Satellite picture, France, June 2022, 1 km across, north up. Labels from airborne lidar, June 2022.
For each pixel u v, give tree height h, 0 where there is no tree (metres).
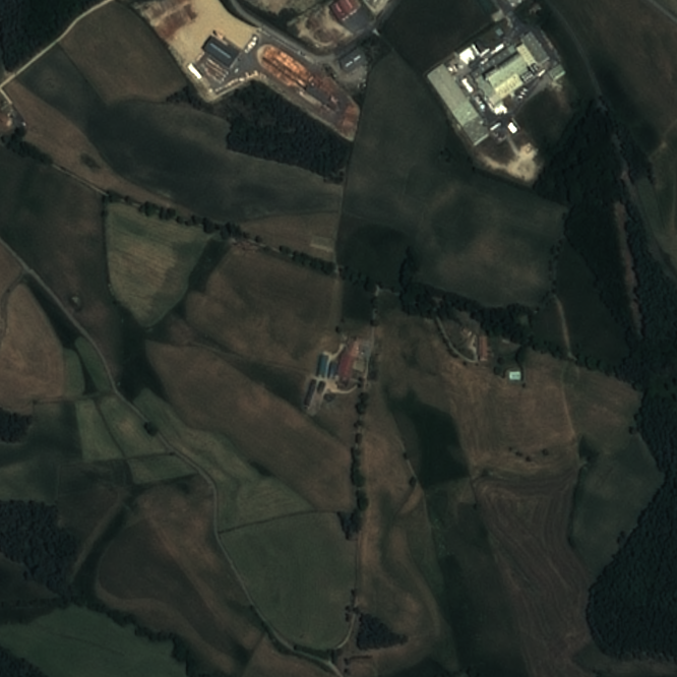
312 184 0
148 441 0
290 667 0
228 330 0
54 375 0
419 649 0
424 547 0
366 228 0
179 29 0
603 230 17
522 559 0
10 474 0
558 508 0
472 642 0
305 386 0
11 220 0
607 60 0
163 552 0
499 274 0
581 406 0
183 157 0
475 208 0
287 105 11
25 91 0
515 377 0
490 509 0
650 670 0
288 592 0
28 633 0
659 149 0
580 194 13
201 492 0
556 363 0
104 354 0
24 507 18
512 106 0
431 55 0
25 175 0
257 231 0
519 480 0
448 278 0
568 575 0
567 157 18
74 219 0
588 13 0
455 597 0
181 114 0
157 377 0
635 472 0
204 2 0
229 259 0
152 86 0
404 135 0
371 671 0
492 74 0
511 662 0
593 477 0
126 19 0
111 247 0
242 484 0
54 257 0
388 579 0
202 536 0
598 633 18
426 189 0
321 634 0
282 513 0
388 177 0
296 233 0
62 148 0
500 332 20
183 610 0
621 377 15
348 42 0
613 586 15
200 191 0
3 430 21
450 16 0
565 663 0
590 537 0
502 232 0
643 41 0
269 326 0
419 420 0
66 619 0
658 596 19
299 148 15
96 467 0
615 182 13
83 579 0
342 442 0
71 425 0
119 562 0
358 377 0
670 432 20
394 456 0
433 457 0
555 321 0
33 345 0
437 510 0
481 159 0
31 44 21
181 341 0
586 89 0
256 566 0
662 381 0
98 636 0
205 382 0
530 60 0
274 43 0
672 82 0
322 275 0
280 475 0
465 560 0
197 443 0
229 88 0
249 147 13
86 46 0
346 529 11
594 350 0
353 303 0
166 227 0
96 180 0
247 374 0
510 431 0
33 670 17
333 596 0
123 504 0
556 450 0
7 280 0
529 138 0
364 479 14
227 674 0
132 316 0
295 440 0
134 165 0
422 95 0
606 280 19
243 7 0
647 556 19
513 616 0
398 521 0
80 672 0
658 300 21
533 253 0
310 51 0
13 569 0
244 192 0
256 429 0
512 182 15
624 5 0
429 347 0
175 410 0
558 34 0
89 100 0
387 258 0
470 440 0
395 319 0
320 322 0
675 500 23
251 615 0
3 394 0
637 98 0
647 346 16
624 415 0
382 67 0
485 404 0
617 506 0
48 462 0
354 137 0
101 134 0
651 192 0
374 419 0
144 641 0
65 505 0
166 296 0
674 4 0
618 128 18
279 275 0
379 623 22
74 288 0
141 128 0
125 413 0
